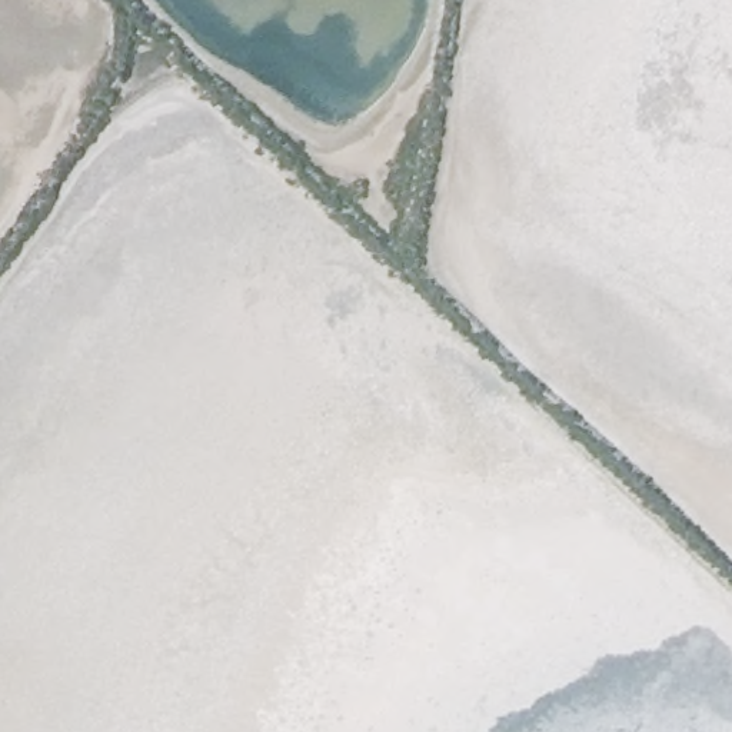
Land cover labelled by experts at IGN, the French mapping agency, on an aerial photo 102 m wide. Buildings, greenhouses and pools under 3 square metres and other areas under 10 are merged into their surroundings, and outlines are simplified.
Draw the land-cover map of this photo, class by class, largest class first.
<instances>
[{"label":"pervious surface","instance_id":"1","mask_svg":"<svg viewBox=\"0 0 732 732\"><path fill-rule=\"evenodd\" d=\"M114 54V11L106 0H0V240L17 223V214L23 212L26 200L40 186L51 183L49 169L54 166L57 154L69 146L71 134L80 126L83 92L92 83L94 71ZM149 14H154V20L160 23H169L172 34L183 40V46L194 54V60L203 69L229 80L237 92L257 103L283 132H289L295 140H303L309 157L320 163L332 177H337L340 183L366 177L369 197L363 209L383 229H389L395 220V209L383 192L389 160H395L406 126L415 117L423 92L432 86L446 0H429L423 29L409 57L389 80V86L377 92L369 100V106L357 112L352 120L323 123L300 112L295 103H289L283 94L252 77L249 71L206 51L189 34V29H183L177 17H172L157 0H143ZM240 31H252L254 26L275 17L283 20L295 34H312L323 17L343 14L352 20L355 51L363 66L372 63V57L386 54L389 46L406 31L412 0H209ZM460 51L452 74V97L443 137V160L437 172V194L432 209L426 266L429 275L472 317L483 320V326L523 369H529L549 386V392L569 409L580 412L583 420L595 429V435L609 440L623 458H629L643 475H649L669 495V500L681 506L683 515L692 523H698L732 558V0H463L458 40ZM154 43L146 31H137L132 77L114 80V89L120 92L117 114L103 129L97 143L86 152V157L71 169L51 214L40 223L34 237L23 246L20 257L0 277V732H732V586L701 555L686 549V543L669 532V526L658 515L643 509L641 498H635L609 469H603L580 443H575L566 435V429H560L535 403H529L515 383H509L500 375V369L492 360L480 357V352L469 340H463L452 329V323L440 317L409 283L392 277L386 263L375 260L357 237H352L340 223H335L329 209L300 186L297 172L280 169L275 154L257 143V137L234 126L220 106L203 100L197 83L180 71V66H160L149 54Z\"/></svg>","mask_w":732,"mask_h":732},{"label":"brushwood","instance_id":"2","mask_svg":"<svg viewBox=\"0 0 732 732\"><path fill-rule=\"evenodd\" d=\"M114 11V54L94 71L92 83L83 92L80 126L71 134L69 146L57 154L54 166L49 169L51 183L40 186L26 200L23 212L17 214V223L0 240V277L20 257L23 246L34 237L40 223L51 214L71 169L86 157V152L97 143L103 129L117 114L120 92L114 89V80L132 77L137 31H146L154 43L149 54L160 66H180V71L197 83L203 100L220 106L234 126L257 137V143L275 154L280 169L297 172L300 186L329 209L335 223H340L352 237H357L375 260L386 263L392 277L409 283L440 317L452 323V329L463 340H469L480 352V357L492 360L500 369V375L509 383H515L529 403H535L549 392V386L529 369H523L483 326V320L472 317L429 275L426 266L432 209L437 194V172L443 160V137L452 97V74L460 51L458 40L463 0H446L432 86L423 92L415 117L406 126L395 160H389L383 192L395 209V220L389 229H383L363 209L369 197L366 177L340 183L337 177H332L320 163L309 157L303 140H295L289 132H283L257 103L237 92L229 80L203 69L194 60V54L183 46V40L172 34L169 23H160L154 20V14H149L143 0H106Z\"/></svg>","mask_w":732,"mask_h":732},{"label":"water","instance_id":"3","mask_svg":"<svg viewBox=\"0 0 732 732\"><path fill-rule=\"evenodd\" d=\"M172 17H177L183 29H189V34L206 51L249 71L252 77L283 94L289 103H295L300 112L323 123L352 120L357 112L369 106V100L377 92L389 86V80L409 57L423 29L429 0H412L406 31L389 46L386 54L372 57V63L363 66L355 51L352 20L343 14L323 17L312 34H295L283 20L275 17L254 26L252 31H240L209 0H157Z\"/></svg>","mask_w":732,"mask_h":732},{"label":"herbaceous vegetation","instance_id":"4","mask_svg":"<svg viewBox=\"0 0 732 732\"><path fill-rule=\"evenodd\" d=\"M560 429H566V435L575 443H580L603 469H609L635 498H641L643 509L658 515L669 526V532L686 543V549L701 555L732 586V558L698 523H692L683 515L681 506L669 500V495L649 475H643L629 458H623L609 440L595 435V429L583 420L580 412L569 409L549 392L535 403Z\"/></svg>","mask_w":732,"mask_h":732}]
</instances>
